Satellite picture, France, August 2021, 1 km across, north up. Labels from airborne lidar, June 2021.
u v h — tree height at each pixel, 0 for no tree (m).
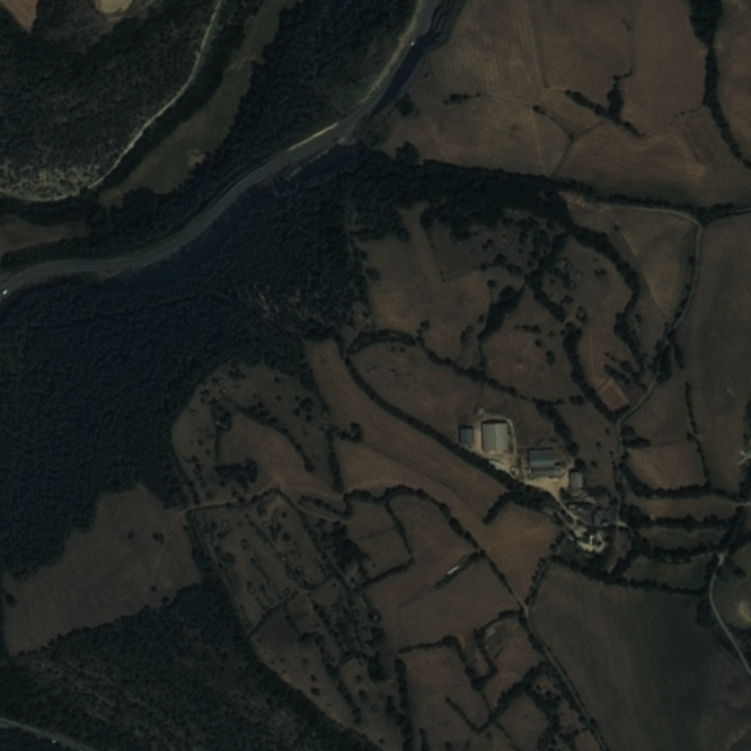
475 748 0
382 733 0
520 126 0
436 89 0
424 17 0
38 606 0
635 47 0
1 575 9
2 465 13
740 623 0
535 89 0
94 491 12
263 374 0
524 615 8
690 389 9
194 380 12
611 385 0
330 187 10
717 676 0
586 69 0
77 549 0
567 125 0
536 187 13
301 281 14
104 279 0
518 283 0
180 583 0
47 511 14
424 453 0
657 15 0
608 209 0
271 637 0
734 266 0
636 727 0
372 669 9
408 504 0
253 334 15
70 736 7
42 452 11
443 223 10
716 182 0
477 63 0
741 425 0
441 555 0
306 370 12
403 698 7
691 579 0
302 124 9
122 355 12
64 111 7
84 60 10
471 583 0
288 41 13
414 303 0
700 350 0
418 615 0
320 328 13
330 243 8
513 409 0
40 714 13
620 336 8
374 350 0
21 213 15
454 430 0
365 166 15
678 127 0
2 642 8
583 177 0
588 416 0
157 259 0
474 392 0
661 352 7
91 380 12
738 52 0
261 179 0
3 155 7
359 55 10
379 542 0
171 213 12
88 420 11
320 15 12
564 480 0
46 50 7
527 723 0
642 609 0
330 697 0
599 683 0
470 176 9
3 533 16
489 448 0
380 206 9
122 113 10
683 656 0
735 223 0
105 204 0
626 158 0
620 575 12
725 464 0
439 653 0
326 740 9
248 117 18
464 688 0
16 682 11
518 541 0
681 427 0
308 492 0
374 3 9
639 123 0
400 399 0
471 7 0
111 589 0
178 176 0
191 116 15
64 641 11
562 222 11
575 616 0
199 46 9
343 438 9
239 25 6
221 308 18
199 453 0
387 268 0
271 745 8
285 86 17
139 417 13
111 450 9
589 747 0
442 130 0
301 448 7
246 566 0
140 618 7
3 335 9
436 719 0
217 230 0
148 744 7
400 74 0
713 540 0
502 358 0
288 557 0
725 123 7
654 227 0
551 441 0
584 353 0
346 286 9
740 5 0
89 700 7
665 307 0
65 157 8
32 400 8
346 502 7
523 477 0
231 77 0
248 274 11
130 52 13
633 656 0
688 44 0
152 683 5
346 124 0
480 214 12
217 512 0
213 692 7
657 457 0
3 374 8
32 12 0
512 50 0
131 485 9
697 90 0
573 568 10
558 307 7
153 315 11
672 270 0
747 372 0
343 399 0
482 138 0
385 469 0
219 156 14
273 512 0
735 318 0
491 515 9
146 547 0
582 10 0
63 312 11
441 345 0
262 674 11
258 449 0
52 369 8
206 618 13
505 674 0
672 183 0
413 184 12
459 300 0
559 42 0
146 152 16
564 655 0
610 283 0
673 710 0
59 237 0
